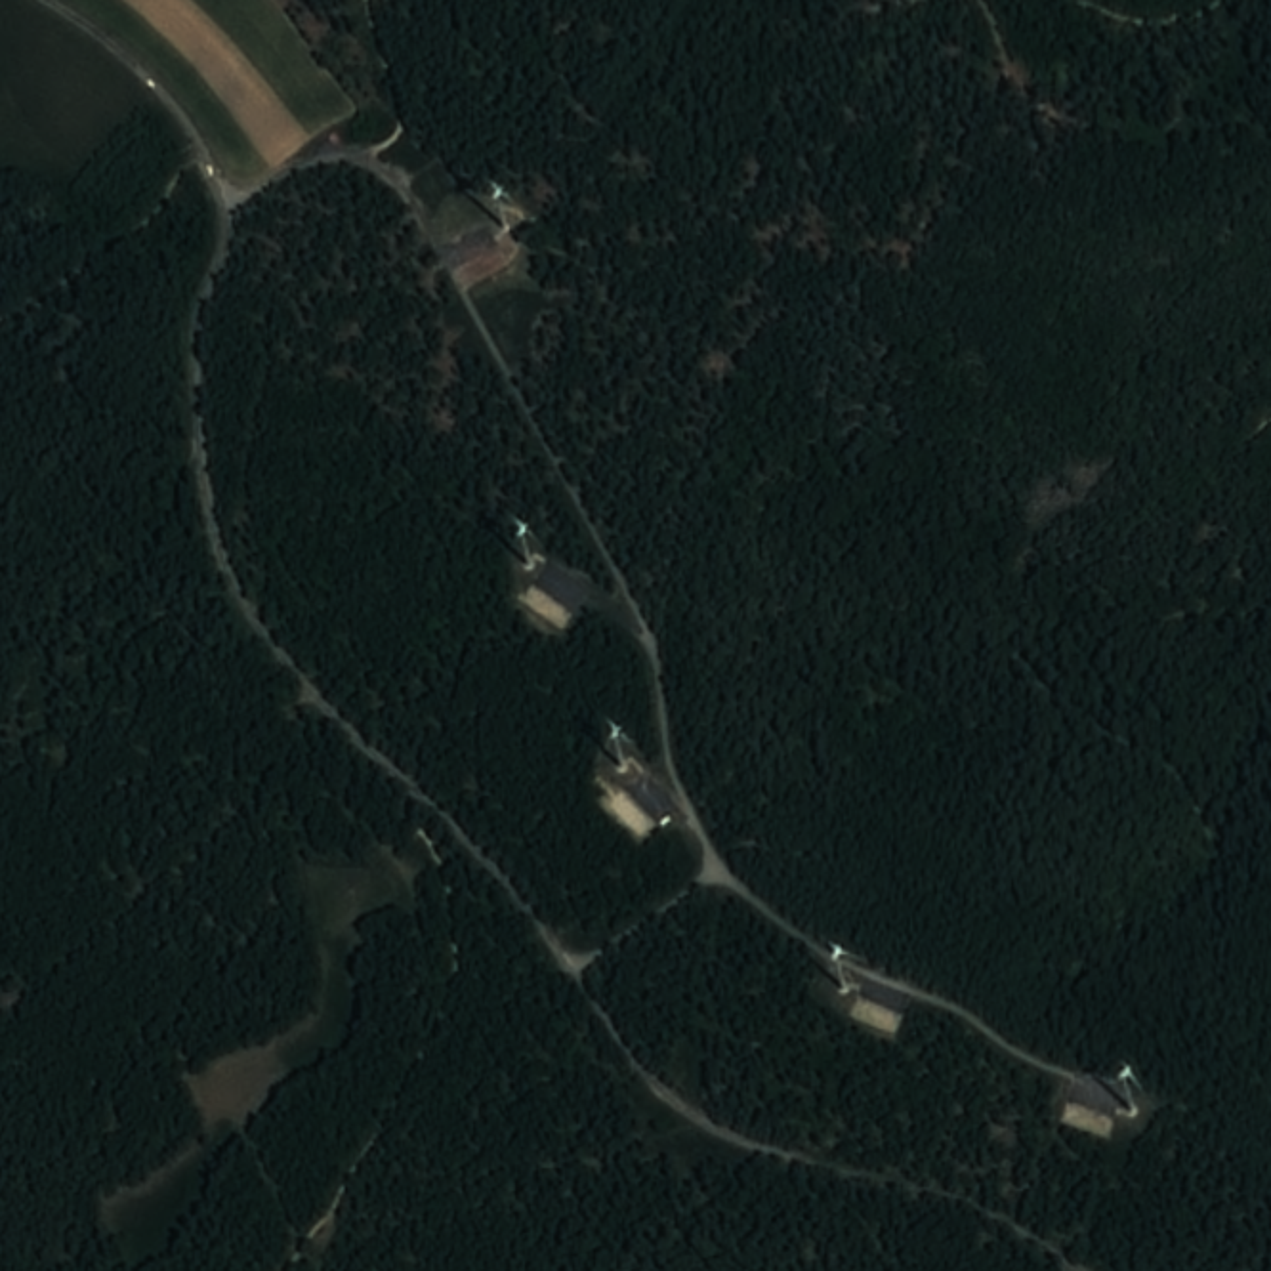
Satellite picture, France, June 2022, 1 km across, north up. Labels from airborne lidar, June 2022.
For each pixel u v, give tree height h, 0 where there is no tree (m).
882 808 18
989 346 17
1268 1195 18
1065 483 18
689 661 13
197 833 22
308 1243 16
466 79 16
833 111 20
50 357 29
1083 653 15
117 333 23
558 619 0
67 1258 8
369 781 15
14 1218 23
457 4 21
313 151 0
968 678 23
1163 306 15
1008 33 8
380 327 14
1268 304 15
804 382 21
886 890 17
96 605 15
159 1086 19
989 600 22
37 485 22
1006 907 20
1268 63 20
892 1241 19
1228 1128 19
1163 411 17
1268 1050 15
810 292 20
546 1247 19
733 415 11
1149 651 25
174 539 22
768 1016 10
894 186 15
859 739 21
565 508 17
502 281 0
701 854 0
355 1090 9
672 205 19
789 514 20
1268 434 13
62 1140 12
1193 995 20
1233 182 19
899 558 35
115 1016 19
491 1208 16
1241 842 25
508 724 18
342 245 12
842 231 7
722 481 23
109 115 0
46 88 0
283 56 0
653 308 21
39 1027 18
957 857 20
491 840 22
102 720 15
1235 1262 25
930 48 21
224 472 8
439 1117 14
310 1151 12
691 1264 24
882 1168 15
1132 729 27
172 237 12
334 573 7
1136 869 20
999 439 13
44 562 17
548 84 24
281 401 10
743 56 22
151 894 17
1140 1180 12
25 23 0
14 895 15
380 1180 12
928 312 19
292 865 17
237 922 22
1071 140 27
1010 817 27
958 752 23
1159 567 27
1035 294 16
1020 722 30
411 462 19
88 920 17
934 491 26
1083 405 15
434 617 13
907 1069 17
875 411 32
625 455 25
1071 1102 0
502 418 18
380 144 0
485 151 18
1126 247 14
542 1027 17
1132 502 14
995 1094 16
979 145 24
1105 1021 16
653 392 17
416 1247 15
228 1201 13
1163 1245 25
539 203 0
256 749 22
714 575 24
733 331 20
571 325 20
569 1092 16
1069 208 20
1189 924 26
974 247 16
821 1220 25
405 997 20
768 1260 21
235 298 13
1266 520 22
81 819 18
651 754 12
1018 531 25
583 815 14
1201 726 23
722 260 20
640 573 15
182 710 18
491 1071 14
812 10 35
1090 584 24
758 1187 13
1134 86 8
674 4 26
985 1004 17
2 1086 22
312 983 18
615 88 25
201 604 21
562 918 14
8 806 18
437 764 18
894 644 31
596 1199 23
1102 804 24
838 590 21
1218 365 28
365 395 7
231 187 0
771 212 18
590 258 28
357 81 8
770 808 11
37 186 23
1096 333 17
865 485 28
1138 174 23
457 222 0
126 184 10
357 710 12
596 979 7
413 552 11
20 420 24
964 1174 10
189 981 21
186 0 0
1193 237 12
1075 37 15
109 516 23
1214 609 12
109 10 0
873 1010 0
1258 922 18
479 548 10
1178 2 6
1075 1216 24
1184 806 23
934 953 16
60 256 28
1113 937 19
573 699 13
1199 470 19
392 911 19
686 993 14
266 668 20
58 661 21
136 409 18
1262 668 28
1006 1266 20
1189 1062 12
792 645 28
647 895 15
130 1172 15
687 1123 0
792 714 29
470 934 13
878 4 26
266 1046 15
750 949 11
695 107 20
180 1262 15
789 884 17
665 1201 14
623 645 18
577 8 21
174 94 0
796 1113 23
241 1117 0
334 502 7
